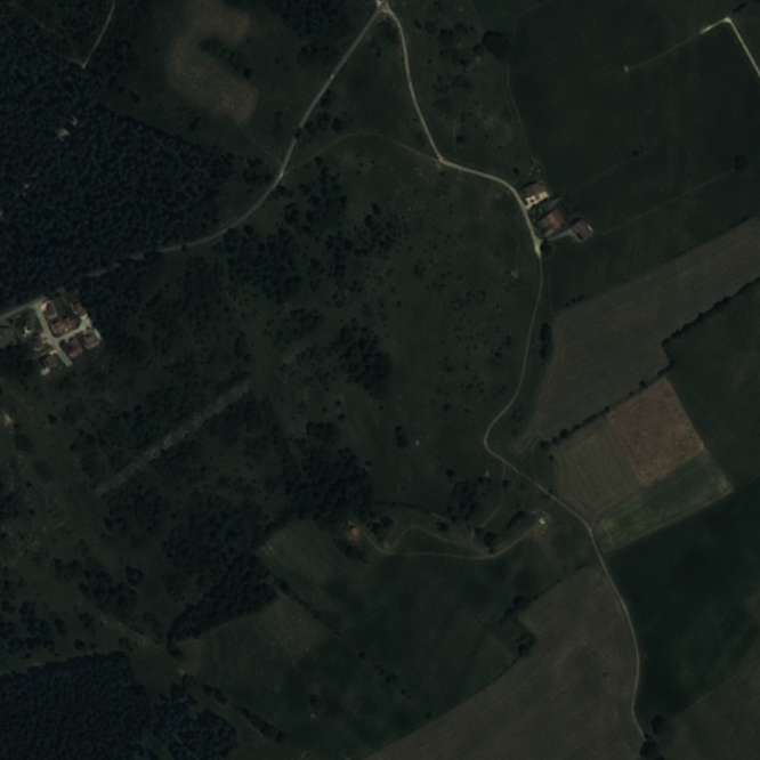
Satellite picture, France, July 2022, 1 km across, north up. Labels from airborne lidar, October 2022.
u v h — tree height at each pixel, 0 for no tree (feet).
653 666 0
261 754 0
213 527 36
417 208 0
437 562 0
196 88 0
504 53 41
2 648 66
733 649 0
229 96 0
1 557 0
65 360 0
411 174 0
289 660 0
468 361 0
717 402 0
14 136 110
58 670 78
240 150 0
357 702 0
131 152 127
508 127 0
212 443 0
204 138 0
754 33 0
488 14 0
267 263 51
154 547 0
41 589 0
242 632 0
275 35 0
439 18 0
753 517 0
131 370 0
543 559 0
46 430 0
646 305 0
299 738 0
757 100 0
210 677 0
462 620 0
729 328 0
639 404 0
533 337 0
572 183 0
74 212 104
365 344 44
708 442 0
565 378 0
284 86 0
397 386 0
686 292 0
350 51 0
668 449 0
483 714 0
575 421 0
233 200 0
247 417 24
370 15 0
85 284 28
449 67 0
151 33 0
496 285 0
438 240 0
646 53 0
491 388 0
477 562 0
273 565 0
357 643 0
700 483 0
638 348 0
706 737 0
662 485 0
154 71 0
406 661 0
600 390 0
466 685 0
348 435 0
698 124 0
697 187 0
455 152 0
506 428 0
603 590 0
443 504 0
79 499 0
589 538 0
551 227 0
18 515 35
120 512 37
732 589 0
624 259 0
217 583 24
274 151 0
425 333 0
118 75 32
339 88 0
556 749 0
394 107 0
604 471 0
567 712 0
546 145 0
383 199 0
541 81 0
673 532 0
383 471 0
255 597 49
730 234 0
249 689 0
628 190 0
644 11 0
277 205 0
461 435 0
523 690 0
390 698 0
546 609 0
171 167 93
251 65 0
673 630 0
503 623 23
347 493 98
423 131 0
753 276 0
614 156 0
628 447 0
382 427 0
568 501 0
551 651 0
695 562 0
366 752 0
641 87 0
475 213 0
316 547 0
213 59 0
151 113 0
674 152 0
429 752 0
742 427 0
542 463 0
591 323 0
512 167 0
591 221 0
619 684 0
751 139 0
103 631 0
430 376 0
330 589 0
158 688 0
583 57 0
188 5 0
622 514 0
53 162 127
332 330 0
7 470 0
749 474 0
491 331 0
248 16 0
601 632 0
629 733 0
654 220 0
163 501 22
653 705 0
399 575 0
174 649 23
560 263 0
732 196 0
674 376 0
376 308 0
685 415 0
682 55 0
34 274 121
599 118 0
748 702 0
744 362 0
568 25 0
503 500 0
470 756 0
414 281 0
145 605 0
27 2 20
